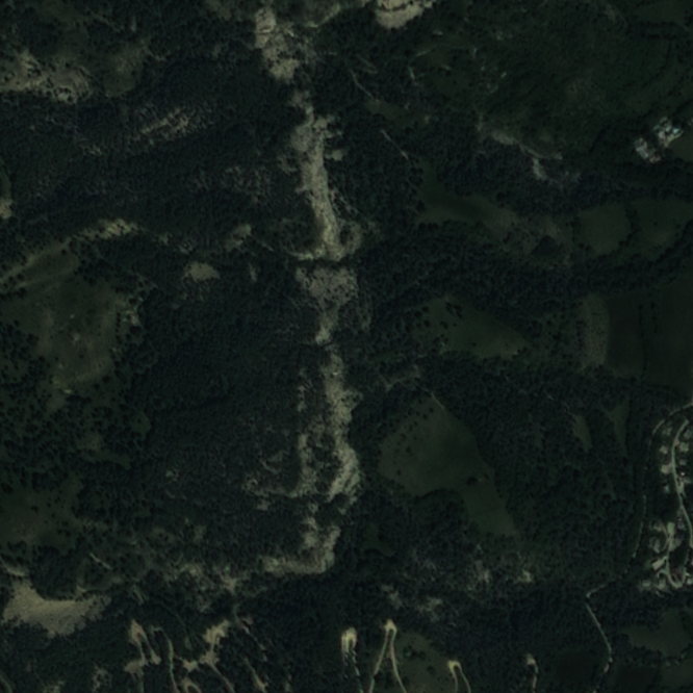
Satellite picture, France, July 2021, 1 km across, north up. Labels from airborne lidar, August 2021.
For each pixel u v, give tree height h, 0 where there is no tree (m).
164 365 30
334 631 25
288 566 0
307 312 11
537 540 8
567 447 14
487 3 6
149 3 29
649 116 10
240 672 30
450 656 11
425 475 0
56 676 7
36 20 22
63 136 16
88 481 19
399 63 8
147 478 16
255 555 11
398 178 17
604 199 13
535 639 25
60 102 11
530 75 10
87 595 7
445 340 8
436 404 0
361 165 23
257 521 7
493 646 15
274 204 11
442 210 0
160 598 20
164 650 21
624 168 16
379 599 16
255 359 12
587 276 10
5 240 18
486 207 0
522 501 10
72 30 0
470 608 7
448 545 19
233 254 18
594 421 14
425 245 17
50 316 0
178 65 20
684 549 9
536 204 16
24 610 0
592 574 8
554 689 11
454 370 13
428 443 0
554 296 9
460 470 0
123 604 17
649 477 16
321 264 7
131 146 13
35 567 11
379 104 0
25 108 17
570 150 9
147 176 17
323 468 11
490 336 0
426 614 8
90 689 15
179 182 13
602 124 6
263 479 7
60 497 8
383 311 20
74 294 0
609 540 14
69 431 6
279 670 30
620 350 0
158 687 27
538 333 18
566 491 15
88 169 14
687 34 11
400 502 9
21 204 11
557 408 14
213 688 16
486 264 19
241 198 22
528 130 7
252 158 7
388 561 18
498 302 17
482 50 11
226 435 18
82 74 8
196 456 15
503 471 12
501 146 10
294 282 13
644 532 8
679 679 0
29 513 0
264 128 26
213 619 17
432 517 8
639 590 15
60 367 0
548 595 20
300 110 9
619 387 16
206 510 18
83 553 14
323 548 0
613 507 11
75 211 24
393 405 8
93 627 14
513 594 10
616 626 13
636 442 13
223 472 10
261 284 9
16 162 23
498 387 19
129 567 14
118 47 10
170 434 12
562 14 6
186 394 22
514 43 7
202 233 11
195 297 9
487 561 9
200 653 16
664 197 8
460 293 14
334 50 7
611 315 0
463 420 8
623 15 8
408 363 20
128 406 15
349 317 9
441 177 13
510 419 15
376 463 7
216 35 7
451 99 10
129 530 12
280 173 12
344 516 13
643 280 24
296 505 9
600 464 14
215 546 17
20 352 8
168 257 18
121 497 11
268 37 0
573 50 8
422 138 18
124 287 14
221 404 23
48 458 15
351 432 13
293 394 10
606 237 0
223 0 7
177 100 8
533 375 21
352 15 7
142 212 16
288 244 10
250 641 35
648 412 8
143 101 15
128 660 12
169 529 11
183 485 9
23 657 14
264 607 26
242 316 11
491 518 0
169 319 21
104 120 22
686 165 18
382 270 22
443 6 15
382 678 15
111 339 0
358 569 20
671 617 0
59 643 17
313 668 28
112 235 6
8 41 7
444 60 0
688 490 8
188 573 9
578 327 8
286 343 13
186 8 22
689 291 0
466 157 7
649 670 0
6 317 0
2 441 17
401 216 15
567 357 10
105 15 12
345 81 24
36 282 0
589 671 0
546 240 16
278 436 7
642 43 9
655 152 9
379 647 6
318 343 7
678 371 0
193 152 28
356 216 10
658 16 0
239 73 15
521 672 15
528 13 7
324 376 7
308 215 11
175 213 26
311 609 8
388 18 0
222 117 16
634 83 8
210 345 22
